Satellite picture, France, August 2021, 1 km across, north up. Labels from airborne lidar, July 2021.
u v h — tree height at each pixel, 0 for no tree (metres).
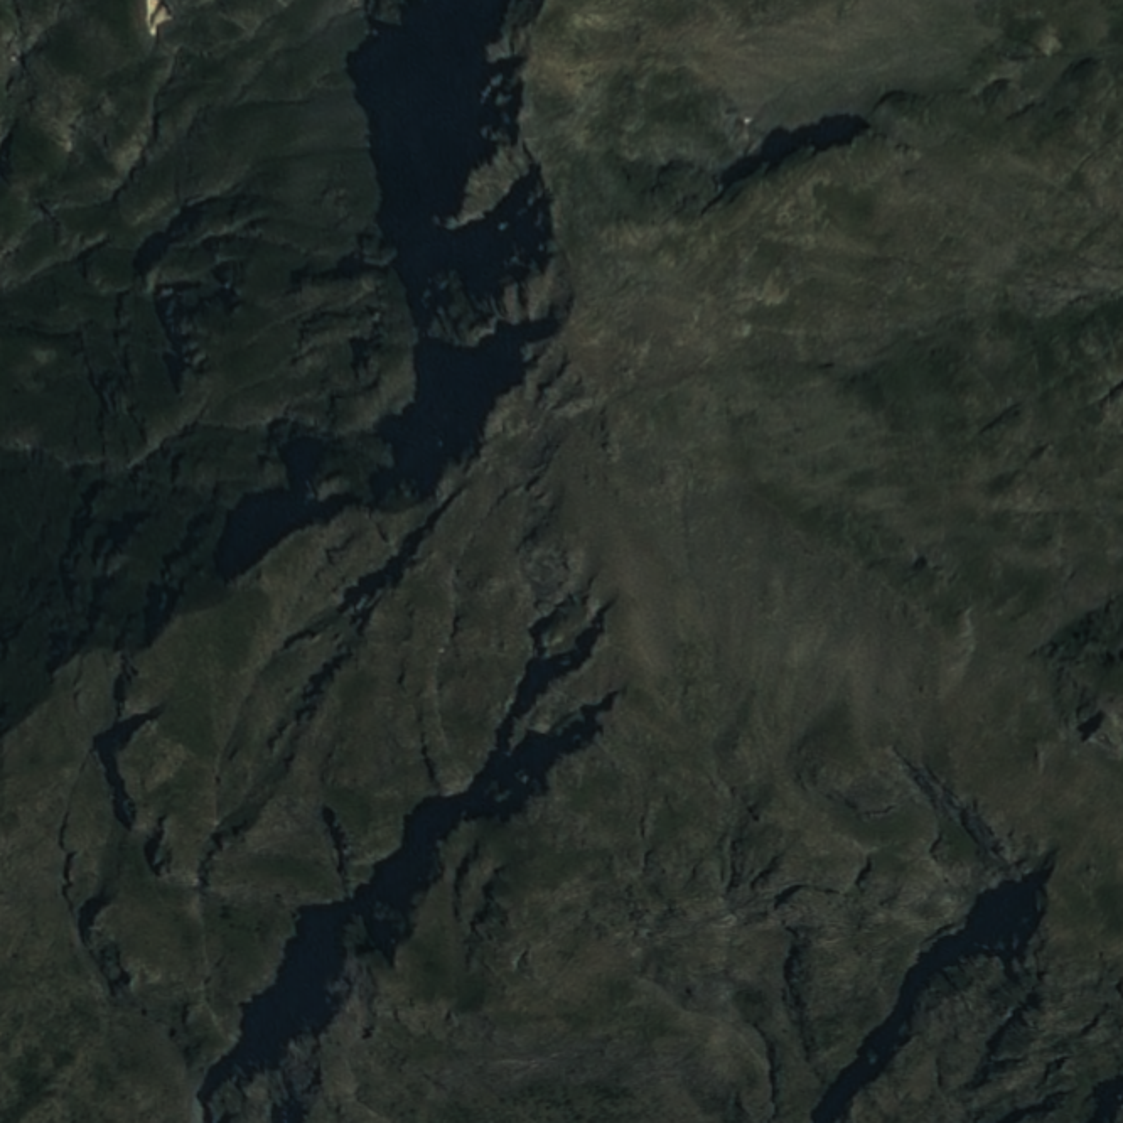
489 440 0
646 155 0
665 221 0
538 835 0
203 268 0
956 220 0
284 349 0
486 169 0
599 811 0
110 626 0
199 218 0
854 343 0
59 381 0
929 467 0
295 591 0
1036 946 0
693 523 0
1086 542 0
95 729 0
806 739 0
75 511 0
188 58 0
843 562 0
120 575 0
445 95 0
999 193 0
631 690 0
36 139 0
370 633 0
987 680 0
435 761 0
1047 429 0
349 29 0
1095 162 0
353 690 0
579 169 0
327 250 0
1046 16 0
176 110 0
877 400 0
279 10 0
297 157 0
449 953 0
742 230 0
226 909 8
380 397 0
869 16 0
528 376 0
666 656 0
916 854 0
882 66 0
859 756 0
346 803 0
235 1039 0
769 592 0
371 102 0
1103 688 0
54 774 0
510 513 0
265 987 0
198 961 0
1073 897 0
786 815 0
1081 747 0
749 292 0
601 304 0
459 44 0
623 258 0
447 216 0
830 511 0
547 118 0
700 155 0
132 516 0
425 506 0
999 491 0
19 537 0
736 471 0
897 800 0
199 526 0
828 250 0
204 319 0
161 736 0
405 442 0
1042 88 0
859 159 0
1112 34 0
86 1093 0
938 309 0
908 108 0
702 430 0
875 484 0
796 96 0
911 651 0
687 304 0
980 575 0
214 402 0
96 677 0
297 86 0
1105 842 0
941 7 0
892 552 0
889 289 0
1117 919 0
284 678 0
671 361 0
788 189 0
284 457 0
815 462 0
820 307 0
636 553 0
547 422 0
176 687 0
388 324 0
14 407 0
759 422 0
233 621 0
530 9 0
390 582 0
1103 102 0
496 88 0
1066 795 0
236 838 0
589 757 0
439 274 0
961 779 0
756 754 0
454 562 0
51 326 0
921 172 0
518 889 0
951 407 0
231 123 0
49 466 0
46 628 0
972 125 0
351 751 0
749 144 0
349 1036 0
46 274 0
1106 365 0
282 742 0
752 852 0
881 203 0
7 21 0
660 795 0
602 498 0
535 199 0
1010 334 0
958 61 0
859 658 0
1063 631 0
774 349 0
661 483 0
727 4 0
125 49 0
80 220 0
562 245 0
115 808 0
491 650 0
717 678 0
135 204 0
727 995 0
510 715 0
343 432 0
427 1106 0
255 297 0
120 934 0
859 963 0
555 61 0
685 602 0
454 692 0
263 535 0
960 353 0
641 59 0
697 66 0
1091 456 0
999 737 0
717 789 0
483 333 0
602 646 0
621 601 0
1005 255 0
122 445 0
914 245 0
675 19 0
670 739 0
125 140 0
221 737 0
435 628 0
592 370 0
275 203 0
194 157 0
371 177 0
